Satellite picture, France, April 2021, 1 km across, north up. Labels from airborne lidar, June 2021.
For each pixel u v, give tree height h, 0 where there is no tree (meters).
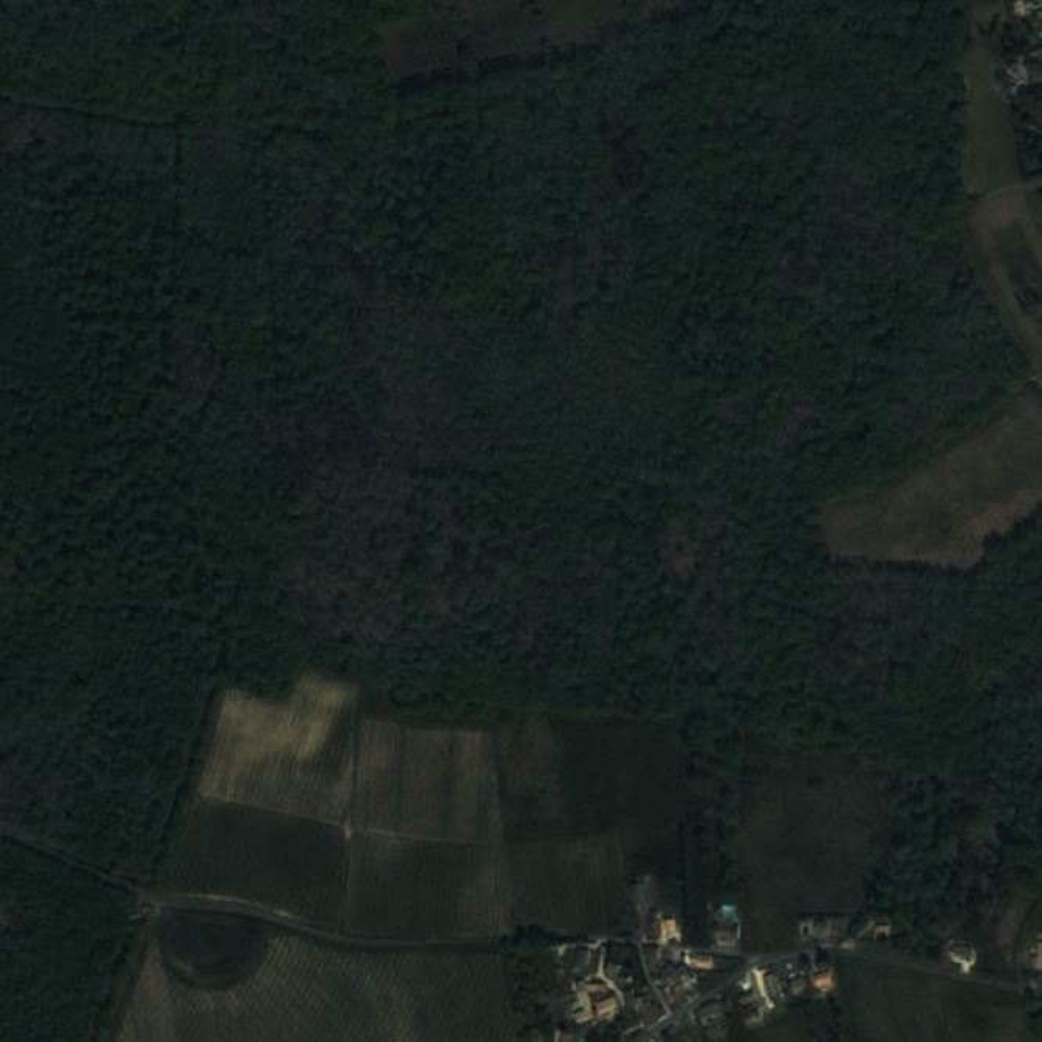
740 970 0
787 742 18
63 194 14
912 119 20
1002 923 28
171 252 26
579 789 0
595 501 17
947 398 21
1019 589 17
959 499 0
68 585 26
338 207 21
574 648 9
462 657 18
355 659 16
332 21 24
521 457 14
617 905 0
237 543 21
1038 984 6
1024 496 0
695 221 22
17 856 13
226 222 15
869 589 18
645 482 17
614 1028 8
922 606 19
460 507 9
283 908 0
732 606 15
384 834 0
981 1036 0
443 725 0
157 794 7
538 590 8
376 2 21
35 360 11
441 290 16
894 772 15
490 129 25
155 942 0
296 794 0
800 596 24
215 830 0
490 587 21
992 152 0
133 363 25
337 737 0
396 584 10
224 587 10
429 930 0
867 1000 0
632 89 22
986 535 0
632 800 0
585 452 12
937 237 23
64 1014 11
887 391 25
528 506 14
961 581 19
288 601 16
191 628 16
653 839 0
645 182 26
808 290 17
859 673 16
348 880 0
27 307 13
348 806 0
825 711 20
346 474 13
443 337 13
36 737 14
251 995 0
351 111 20
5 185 12
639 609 24
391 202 19
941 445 14
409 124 15
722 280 27
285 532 19
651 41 23
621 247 14
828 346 23
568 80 23
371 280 25
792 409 22
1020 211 0
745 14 25
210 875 0
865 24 14
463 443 8
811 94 19
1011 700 19
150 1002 0
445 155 18
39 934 12
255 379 15
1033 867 17
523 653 20
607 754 0
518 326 18
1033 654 18
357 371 19
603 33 13
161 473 19
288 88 22
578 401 13
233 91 20
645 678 21
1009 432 0
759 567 19
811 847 0
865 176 19
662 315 15
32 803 11
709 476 16
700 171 21
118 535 22
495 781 0
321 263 19
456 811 0
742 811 7
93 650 16
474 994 0
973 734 11
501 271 24
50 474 17
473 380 12
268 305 23
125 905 11
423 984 0
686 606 19
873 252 23
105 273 15
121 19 21
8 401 13
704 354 21
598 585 17
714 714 20
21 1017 12
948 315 26
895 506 0
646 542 26
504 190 23
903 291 20
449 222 27
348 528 11
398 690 18
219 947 0
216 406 15
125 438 11
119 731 10
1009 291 0
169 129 17
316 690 0
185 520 10
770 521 25
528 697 17
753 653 23
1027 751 18
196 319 17
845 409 23
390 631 17
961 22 19
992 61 0
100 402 17
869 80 20
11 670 18
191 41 25
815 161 20
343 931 0
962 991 0
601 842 0
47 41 25
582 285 15
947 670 21
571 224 24
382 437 12
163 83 21
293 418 20
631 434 11
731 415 17
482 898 0
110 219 20
